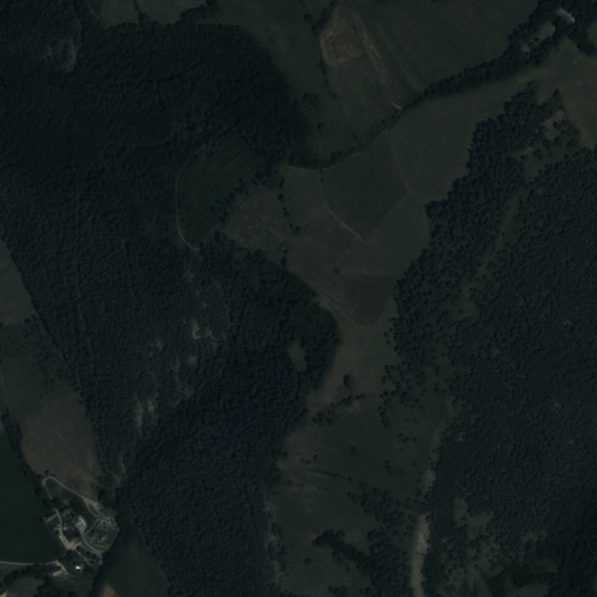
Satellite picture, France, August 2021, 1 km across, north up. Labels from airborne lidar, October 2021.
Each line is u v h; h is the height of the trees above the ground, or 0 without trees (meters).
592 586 19
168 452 13
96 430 6
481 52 0
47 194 17
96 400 17
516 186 10
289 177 0
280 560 8
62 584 0
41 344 7
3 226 10
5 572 0
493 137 17
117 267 17
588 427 16
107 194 6
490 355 9
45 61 11
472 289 6
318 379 7
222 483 22
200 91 32
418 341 9
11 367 0
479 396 12
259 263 20
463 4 0
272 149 20
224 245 25
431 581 14
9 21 20
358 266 0
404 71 0
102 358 15
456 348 8
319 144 0
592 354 14
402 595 12
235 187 0
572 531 23
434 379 0
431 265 7
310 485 0
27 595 0
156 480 15
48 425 0
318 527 0
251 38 17
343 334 0
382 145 0
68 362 16
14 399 0
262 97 29
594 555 21
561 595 26
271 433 22
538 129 11
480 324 7
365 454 0
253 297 9
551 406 12
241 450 9
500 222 9
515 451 13
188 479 15
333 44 0
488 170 14
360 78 0
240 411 23
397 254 0
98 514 0
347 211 0
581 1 15
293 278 11
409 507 7
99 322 16
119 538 6
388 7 0
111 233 16
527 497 15
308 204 0
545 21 18
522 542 13
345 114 0
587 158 9
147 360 9
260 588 16
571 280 15
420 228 0
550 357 12
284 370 13
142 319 13
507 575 11
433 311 8
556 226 11
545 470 16
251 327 25
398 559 9
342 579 0
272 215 0
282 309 28
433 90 11
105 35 24
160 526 17
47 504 15
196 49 18
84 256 15
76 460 0
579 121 0
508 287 11
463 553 12
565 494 15
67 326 10
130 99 30
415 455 0
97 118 18
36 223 12
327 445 0
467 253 12
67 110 13
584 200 15
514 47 15
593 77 0
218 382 9
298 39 0
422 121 0
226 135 7
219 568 16
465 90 17
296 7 0
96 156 22
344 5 0
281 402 26
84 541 0
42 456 0
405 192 0
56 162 26
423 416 0
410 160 0
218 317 13
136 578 0
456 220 10
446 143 0
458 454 12
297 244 0
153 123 25
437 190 0
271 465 9
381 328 0
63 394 0
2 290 0
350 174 0
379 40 0
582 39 24
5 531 0
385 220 0
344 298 0
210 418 11
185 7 0
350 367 0
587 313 16
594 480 21
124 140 20
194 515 15
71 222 18
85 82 27
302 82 0
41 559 0
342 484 0
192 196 0
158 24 12
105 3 0
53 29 14
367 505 11
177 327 12
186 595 14
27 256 16
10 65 21
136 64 25
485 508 12
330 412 6
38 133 24
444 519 12
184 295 17
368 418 0
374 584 10
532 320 6
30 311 0
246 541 15
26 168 24
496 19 0
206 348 12
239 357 17
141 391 9
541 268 16
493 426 13
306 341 11
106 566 16
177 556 15
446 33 0
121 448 12
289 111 12
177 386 12
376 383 0
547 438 16
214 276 11
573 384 15
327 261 0
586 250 15
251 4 0
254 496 12
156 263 15
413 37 0
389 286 0
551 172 13
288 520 0
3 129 18
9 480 0
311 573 0
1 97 23
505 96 0
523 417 14
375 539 13
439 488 12
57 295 20
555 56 0
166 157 6
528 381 13
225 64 32
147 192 7
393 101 0
